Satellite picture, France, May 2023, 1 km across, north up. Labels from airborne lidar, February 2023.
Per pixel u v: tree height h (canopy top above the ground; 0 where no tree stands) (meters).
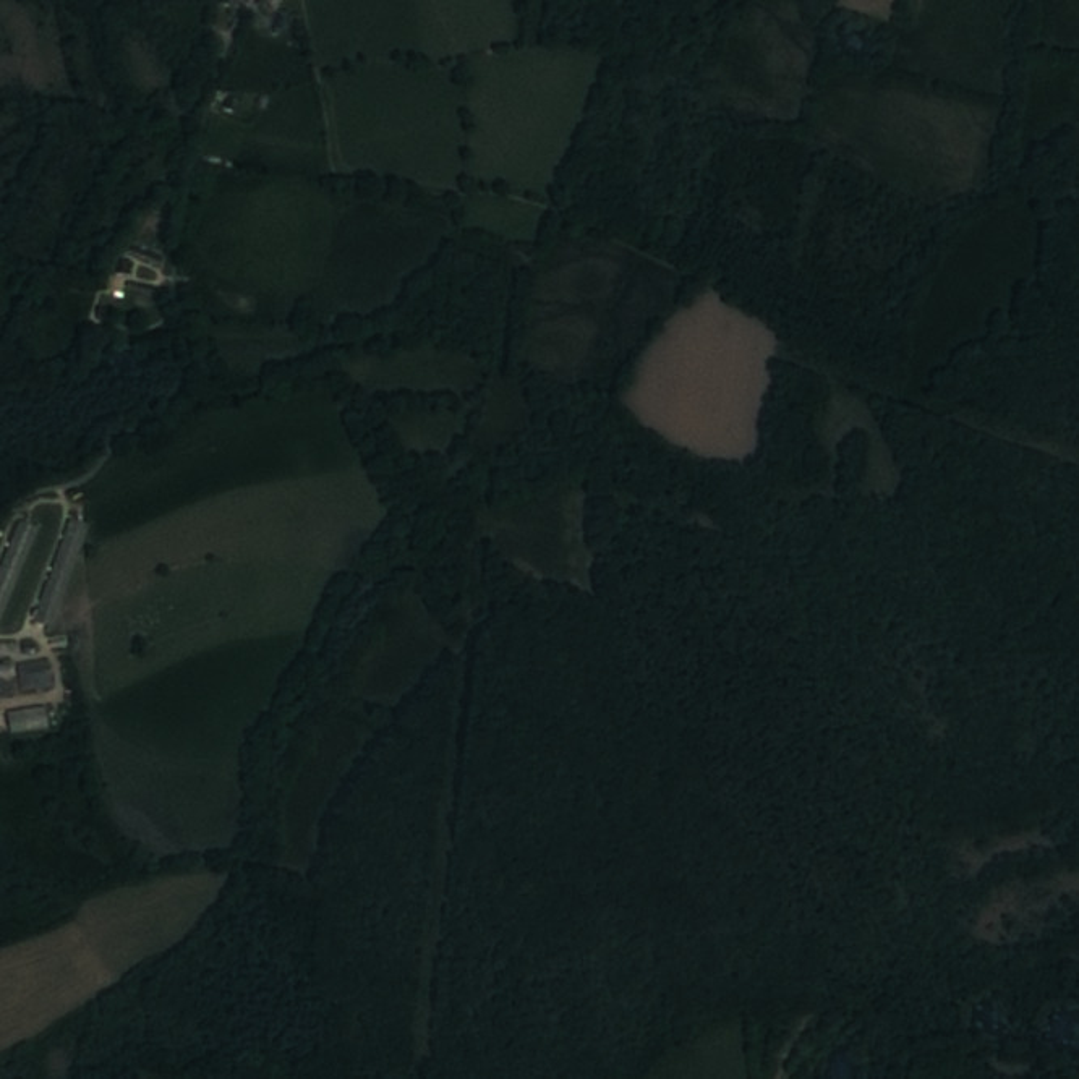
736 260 28
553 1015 14
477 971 11
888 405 9
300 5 0
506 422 0
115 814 0
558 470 18
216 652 0
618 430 7
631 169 6
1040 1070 18
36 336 18
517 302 10
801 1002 18
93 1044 9
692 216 6
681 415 0
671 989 15
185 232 17
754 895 15
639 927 14
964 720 9
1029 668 9
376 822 18
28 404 28
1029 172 23
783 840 19
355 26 0
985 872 12
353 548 0
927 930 13
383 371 0
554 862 14
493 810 16
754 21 0
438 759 19
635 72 12
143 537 0
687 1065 0
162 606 0
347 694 17
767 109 0
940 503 20
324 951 19
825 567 19
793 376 20
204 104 20
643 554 22
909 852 16
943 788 16
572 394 14
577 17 11
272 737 20
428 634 0
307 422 0
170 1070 19
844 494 14
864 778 21
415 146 0
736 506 11
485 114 0
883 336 14
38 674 0
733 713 15
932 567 11
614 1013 9
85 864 0
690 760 18
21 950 0
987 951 14
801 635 20
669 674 18
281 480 0
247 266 0
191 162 23
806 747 20
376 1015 16
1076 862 13
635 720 17
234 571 0
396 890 11
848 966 16
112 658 0
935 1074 16
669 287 0
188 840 0
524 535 0
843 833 19
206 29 6
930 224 7
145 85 0
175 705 0
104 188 17
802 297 24
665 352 0
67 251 16
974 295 0
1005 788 13
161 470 0
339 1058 20
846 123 0
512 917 13
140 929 0
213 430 0
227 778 0
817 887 12
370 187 24
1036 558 17
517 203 0
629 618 22
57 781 12
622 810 16
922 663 12
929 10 0
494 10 0
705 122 10
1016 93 15
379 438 19
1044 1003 12
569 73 0
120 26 13
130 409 14
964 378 17
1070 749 12
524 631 21
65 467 8
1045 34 0
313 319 16
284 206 0
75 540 0
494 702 18
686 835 16
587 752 20
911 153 0
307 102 0
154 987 15
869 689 15
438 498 18
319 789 0
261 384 16
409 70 12
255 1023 25
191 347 17
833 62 14
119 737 0
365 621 17
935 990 10
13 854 14
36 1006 0
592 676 22
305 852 0
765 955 15
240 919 15
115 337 17
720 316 0
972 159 0
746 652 20
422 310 16
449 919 8
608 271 0
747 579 24
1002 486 16
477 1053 16
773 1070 7
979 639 13
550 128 0
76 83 17
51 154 13
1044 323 19
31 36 0
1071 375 16
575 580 0
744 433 0
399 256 0
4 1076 11
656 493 11
